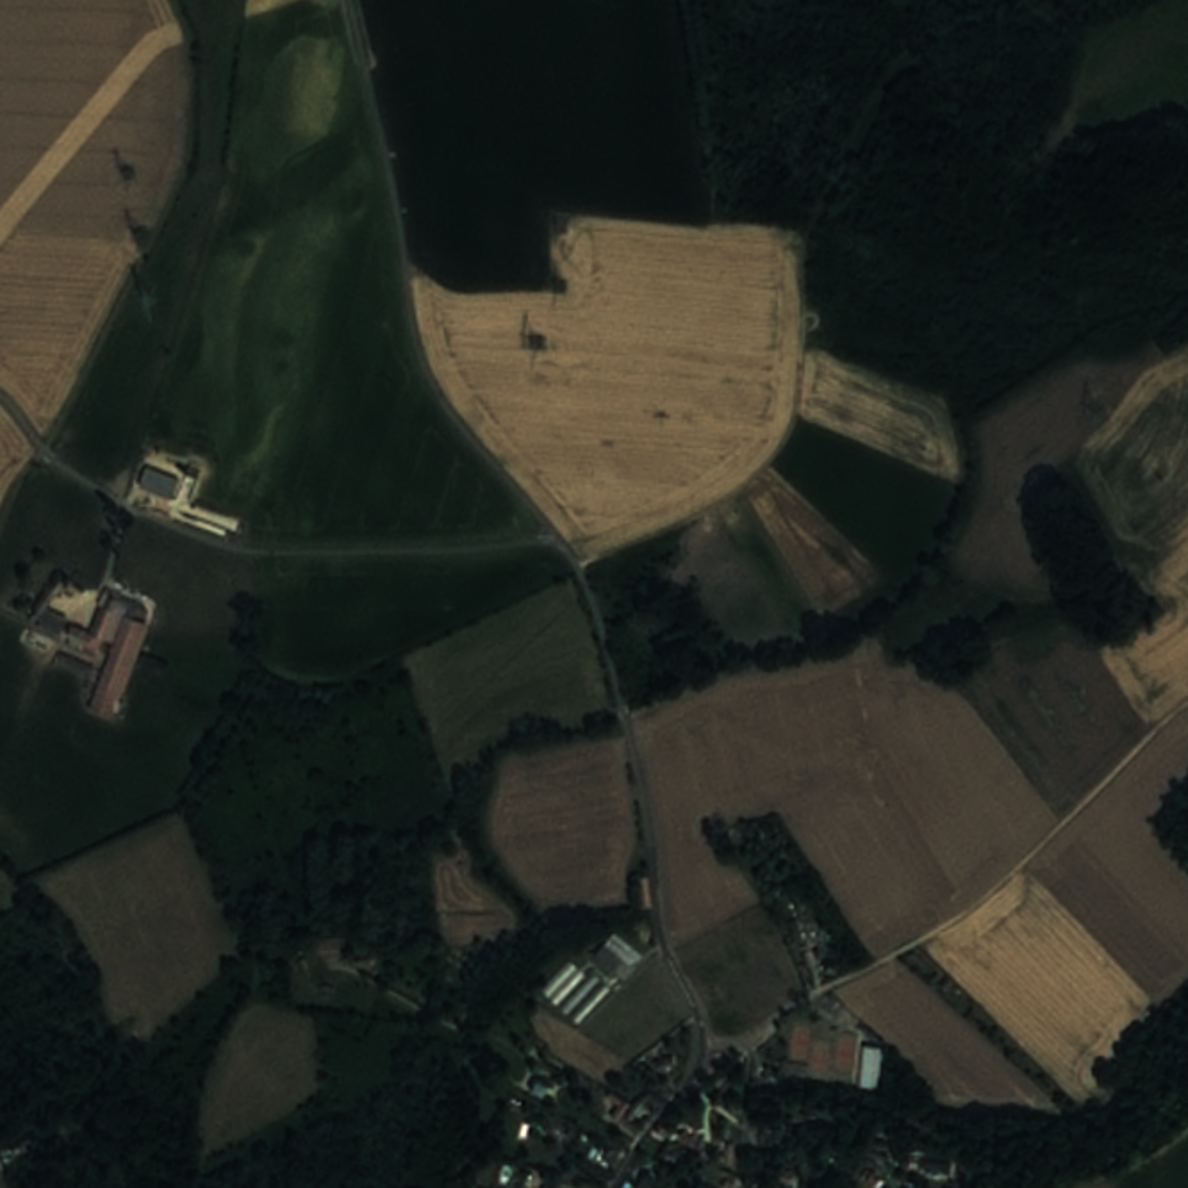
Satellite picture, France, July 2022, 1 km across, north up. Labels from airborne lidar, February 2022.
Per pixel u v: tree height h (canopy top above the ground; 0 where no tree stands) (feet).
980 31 85
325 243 0
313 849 67
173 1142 54
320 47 0
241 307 0
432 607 0
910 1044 0
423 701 0
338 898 72
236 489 0
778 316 0
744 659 65
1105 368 0
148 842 0
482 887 0
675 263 0
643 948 0
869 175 21
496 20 0
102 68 0
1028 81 98
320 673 0
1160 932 0
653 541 0
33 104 0
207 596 0
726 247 0
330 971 0
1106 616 78
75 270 0
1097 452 0
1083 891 0
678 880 0
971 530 0
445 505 0
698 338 0
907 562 0
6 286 0
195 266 0
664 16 0
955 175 18
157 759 0
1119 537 0
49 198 0
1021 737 0
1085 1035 0
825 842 0
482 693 0
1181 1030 41
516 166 0
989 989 0
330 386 0
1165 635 0
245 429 0
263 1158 68
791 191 44
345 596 0
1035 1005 0
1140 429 0
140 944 0
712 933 0
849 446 0
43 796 0
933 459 0
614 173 0
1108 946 0
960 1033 0
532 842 0
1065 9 60
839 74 35
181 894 0
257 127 0
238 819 0
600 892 0
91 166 0
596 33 0
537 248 0
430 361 0
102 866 0
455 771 0
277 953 23
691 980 0
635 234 0
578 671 0
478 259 0
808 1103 25
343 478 0
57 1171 74
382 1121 67
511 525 0
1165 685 0
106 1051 26
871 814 0
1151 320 28
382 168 0
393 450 0
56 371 0
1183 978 0
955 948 0
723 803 0
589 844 0
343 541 0
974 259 20
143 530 0
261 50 0
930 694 0
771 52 54
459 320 0
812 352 0
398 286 0
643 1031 0
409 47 0
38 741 0
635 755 0
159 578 0
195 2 0
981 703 0
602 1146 20
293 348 0
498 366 0
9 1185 18
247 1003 40
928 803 0
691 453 0
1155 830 50
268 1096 0
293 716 50
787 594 0
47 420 0
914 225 26
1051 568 73
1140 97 0
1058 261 20
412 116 0
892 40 36
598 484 0
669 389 0
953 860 0
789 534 0
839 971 23
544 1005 0
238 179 0
